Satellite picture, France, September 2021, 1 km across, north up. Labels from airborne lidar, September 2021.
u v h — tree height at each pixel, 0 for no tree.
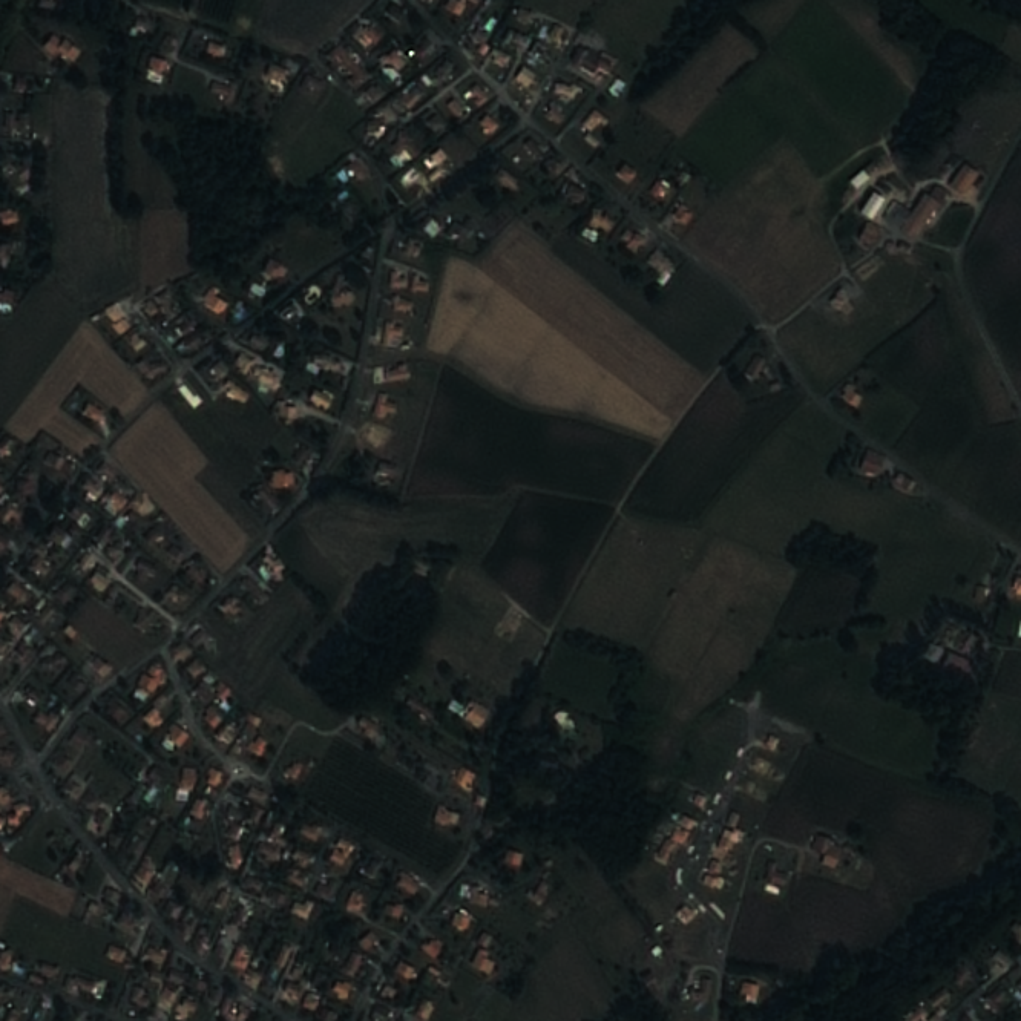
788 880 0
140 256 0
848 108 0
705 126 0
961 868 0
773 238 0
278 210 18
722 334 0
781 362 0
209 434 0
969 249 0
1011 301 0
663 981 0
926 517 0
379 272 0
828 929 0
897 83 0
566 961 0
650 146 0
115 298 0
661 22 0
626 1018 14
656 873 0
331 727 0
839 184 0
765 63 0
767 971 12
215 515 0
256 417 0
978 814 0
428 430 0
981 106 0
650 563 0
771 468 0
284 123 0
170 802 0
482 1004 0
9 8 31
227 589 0
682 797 0
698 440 0
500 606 0
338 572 0
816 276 0
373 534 0
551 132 0
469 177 13
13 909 0
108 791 0
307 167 0
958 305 0
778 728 0
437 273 0
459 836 7
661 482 0
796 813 0
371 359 0
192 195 12
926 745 0
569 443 0
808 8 0
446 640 0
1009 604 9
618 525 0
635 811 19
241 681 0
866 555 14
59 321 0
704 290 0
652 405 0
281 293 8
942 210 0
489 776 0
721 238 0
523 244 0
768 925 0
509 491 0
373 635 23
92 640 0
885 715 0
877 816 0
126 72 17
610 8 0
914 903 0
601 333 0
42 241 13
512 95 0
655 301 13
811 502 0
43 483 10
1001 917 17
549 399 0
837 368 0
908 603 0
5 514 0
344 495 12
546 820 21
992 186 0
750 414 0
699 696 0
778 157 0
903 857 0
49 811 0
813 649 0
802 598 0
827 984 30
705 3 20
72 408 0
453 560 10
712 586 0
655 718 0
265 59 13
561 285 0
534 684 19
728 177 0
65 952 0
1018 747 0
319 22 0
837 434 0
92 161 0
